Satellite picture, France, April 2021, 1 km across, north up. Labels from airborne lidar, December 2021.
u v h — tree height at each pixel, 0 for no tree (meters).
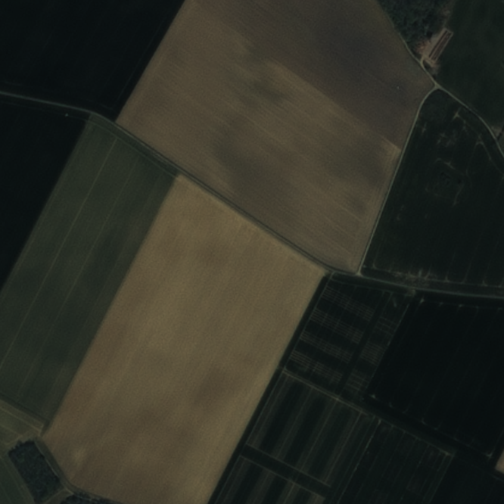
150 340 0
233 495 0
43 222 0
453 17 0
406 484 0
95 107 0
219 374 0
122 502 0
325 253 0
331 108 0
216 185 0
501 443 0
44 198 0
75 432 0
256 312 0
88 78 0
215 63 0
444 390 0
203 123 0
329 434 0
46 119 0
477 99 0
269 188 0
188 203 0
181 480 0
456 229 0
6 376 0
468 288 0
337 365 0
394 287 0
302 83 0
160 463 0
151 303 0
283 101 0
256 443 0
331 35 0
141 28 0
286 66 0
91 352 0
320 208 0
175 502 0
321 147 0
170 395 0
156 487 0
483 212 0
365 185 0
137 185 0
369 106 0
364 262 0
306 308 0
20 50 0
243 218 0
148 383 0
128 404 0
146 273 0
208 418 0
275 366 0
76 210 0
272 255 0
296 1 0
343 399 0
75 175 0
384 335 0
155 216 0
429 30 0
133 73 0
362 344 0
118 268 0
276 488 0
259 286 0
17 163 0
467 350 0
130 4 0
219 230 0
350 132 0
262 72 0
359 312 0
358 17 0
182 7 0
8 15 0
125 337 0
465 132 0
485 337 0
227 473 0
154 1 0
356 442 0
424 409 0
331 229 0
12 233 0
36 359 0
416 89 0
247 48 0
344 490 0
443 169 0
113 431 0
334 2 0
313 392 0
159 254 0
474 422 0
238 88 0
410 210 0
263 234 0
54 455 0
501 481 0
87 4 0
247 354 0
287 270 0
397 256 0
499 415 0
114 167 0
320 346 0
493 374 0
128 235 0
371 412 0
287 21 0
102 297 0
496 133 0
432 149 0
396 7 0
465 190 0
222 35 0
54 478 15
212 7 0
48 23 0
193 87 0
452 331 0
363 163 0
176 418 0
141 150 0
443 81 0
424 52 0
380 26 0
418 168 0
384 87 0
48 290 0
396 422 0
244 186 0
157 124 0
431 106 0
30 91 0
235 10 0
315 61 0
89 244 0
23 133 0
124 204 0
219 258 0
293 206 0
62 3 0
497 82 0
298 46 0
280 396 0
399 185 0
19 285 0
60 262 0
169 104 0
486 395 0
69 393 0
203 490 0
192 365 0
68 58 0
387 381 0
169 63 0
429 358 0
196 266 0
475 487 0
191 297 0
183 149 0
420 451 0
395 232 0
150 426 0
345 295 0
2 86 0
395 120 0
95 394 0
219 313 0
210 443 0
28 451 16
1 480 0
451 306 0
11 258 0
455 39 0
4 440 0
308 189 0
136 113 0
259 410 0
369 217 0
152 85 0
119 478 0
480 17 0
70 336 0
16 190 0
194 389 0
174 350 0
